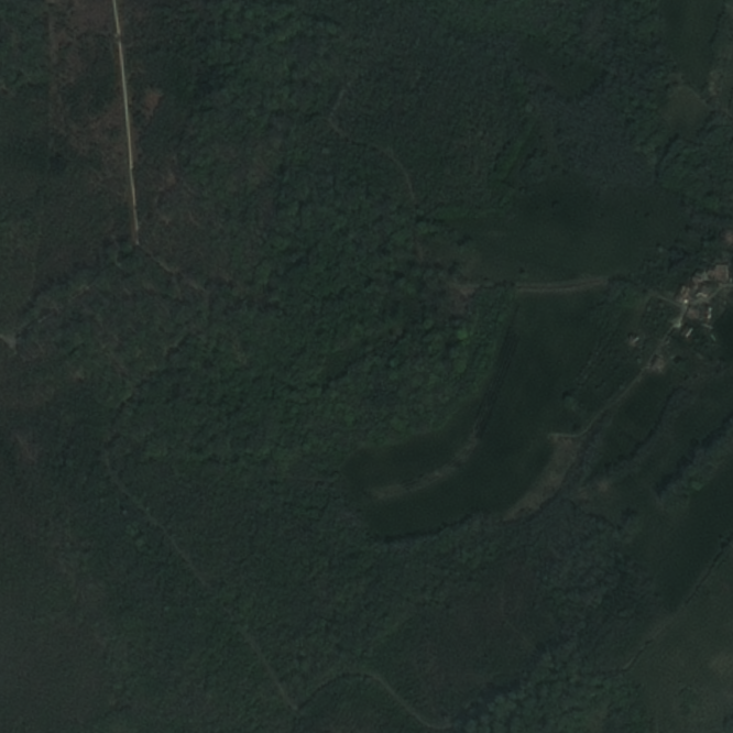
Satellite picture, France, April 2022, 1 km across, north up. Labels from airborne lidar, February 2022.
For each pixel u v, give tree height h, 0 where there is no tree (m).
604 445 22
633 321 0
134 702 20
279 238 28
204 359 8
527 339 0
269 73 32
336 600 22
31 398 23
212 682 19
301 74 38
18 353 8
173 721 17
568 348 0
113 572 19
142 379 23
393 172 11
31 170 10
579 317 0
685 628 0
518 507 0
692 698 6
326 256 28
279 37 33
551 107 21
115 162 7
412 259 31
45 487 17
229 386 22
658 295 0
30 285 13
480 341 8
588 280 0
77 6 0
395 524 0
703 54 0
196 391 26
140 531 15
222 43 29
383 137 12
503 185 15
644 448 15
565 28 27
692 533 0
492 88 18
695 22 0
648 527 0
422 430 20
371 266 30
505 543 8
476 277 0
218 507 20
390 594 18
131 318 27
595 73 0
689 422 0
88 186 8
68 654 11
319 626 20
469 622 0
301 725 8
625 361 6
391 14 17
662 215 0
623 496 0
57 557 13
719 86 0
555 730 28
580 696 26
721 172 17
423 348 14
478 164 18
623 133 26
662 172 18
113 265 18
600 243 0
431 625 6
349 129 16
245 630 16
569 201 0
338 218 31
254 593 18
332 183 32
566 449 0
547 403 0
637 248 0
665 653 0
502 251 0
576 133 28
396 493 0
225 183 27
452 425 0
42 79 19
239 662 16
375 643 14
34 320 19
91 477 6
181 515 18
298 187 29
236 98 30
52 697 10
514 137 21
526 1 22
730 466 0
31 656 11
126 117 0
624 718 22
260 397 24
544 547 10
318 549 21
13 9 25
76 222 10
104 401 21
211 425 27
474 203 14
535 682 16
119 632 20
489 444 0
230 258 24
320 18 15
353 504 19
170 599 17
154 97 0
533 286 0
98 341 28
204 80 17
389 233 32
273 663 10
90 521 21
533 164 14
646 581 9
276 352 29
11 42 30
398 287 27
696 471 23
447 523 0
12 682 12
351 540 26
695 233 12
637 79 21
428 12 21
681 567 0
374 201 33
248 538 20
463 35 17
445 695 6
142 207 8
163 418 25
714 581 0
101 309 28
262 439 26
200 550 17
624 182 25
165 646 23
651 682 0
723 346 0
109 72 6
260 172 25
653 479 0
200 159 29
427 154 12
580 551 26
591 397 0
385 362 23
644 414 0
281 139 33
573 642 19
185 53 6
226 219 25
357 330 28
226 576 16
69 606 12
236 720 15
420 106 14
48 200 9
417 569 21
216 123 25
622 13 25
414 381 20
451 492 0
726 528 0
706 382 0
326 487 16
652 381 0
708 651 0
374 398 17
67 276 6
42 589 14
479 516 22
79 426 17
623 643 7
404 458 0
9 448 16
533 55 0
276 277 24
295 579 15
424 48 21
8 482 13
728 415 0
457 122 12
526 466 0
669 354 0
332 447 12
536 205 0
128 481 15
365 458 0
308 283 27
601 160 26
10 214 14
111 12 0
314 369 25
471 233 0
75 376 21
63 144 6
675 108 0
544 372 0
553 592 7
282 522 21
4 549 18
